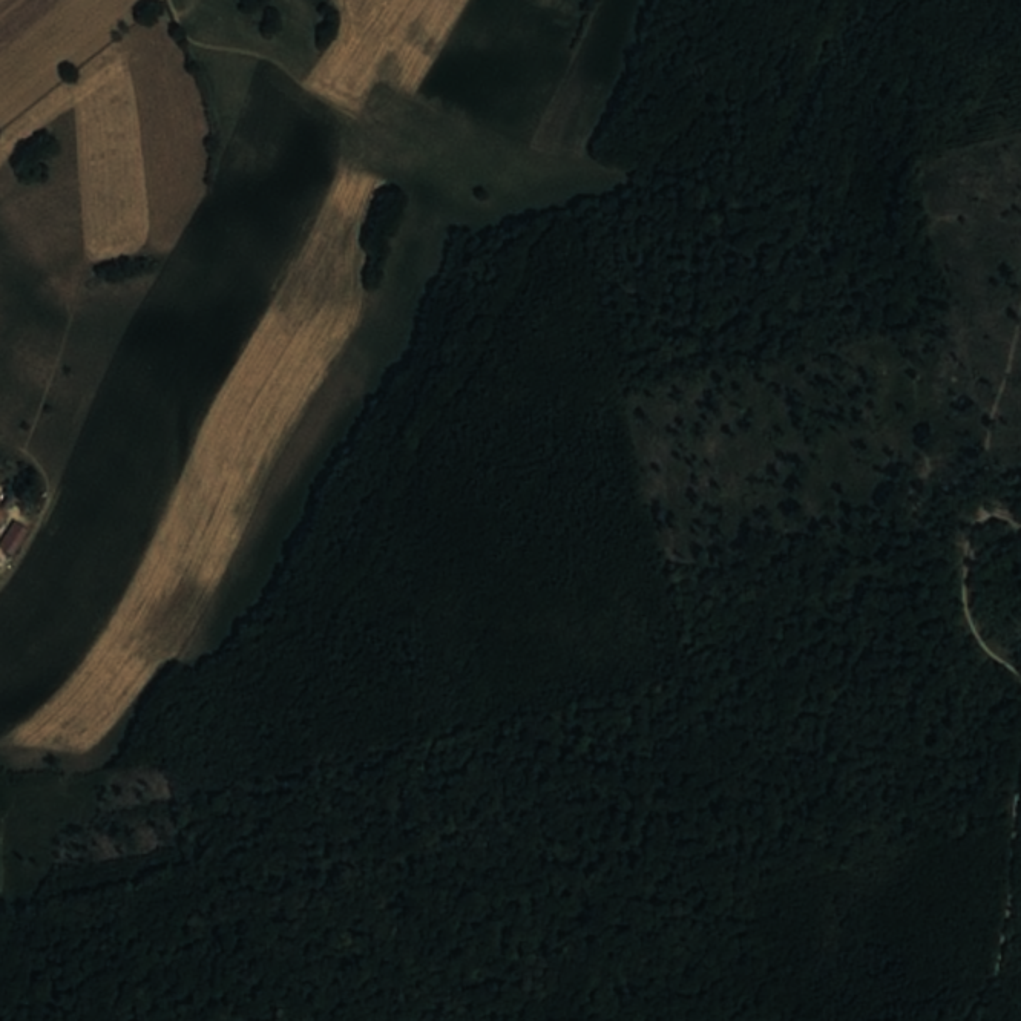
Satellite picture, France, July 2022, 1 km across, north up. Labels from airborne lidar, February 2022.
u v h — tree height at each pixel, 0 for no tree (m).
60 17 0
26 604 0
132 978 20
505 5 0
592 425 11
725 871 16
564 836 24
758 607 22
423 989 20
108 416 0
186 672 15
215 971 21
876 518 19
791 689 25
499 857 19
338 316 0
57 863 8
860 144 20
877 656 26
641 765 24
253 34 0
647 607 9
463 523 10
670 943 20
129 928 21
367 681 12
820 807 24
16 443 0
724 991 19
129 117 0
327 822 21
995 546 23
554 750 24
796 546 19
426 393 24
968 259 20
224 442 0
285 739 16
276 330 0
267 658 14
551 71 0
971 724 16
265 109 0
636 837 25
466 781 23
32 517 0
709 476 0
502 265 26
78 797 0
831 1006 14
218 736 14
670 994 20
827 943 10
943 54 17
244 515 0
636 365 16
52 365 0
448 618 11
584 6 12
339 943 19
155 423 0
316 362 0
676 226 22
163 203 0
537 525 14
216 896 22
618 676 9
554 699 12
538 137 0
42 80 0
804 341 18
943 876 12
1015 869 11
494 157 0
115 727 0
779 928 14
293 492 0
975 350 7
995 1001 18
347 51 0
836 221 24
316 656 13
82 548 0
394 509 17
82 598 0
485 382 14
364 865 21
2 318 0
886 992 19
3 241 0
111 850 20
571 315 10
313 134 0
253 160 0
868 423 20
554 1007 24
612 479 10
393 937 20
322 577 21
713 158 19
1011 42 21
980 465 21
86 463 0
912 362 28
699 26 21
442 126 0
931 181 0
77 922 21
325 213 0
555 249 16
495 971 24
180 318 0
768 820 25
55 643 0
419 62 0
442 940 20
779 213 22
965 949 14
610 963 21
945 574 25
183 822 16
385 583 12
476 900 23
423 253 0
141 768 12
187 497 0
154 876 23
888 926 15
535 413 13
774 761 21
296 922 24
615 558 9
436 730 14
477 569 11
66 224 0
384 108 0
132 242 0
